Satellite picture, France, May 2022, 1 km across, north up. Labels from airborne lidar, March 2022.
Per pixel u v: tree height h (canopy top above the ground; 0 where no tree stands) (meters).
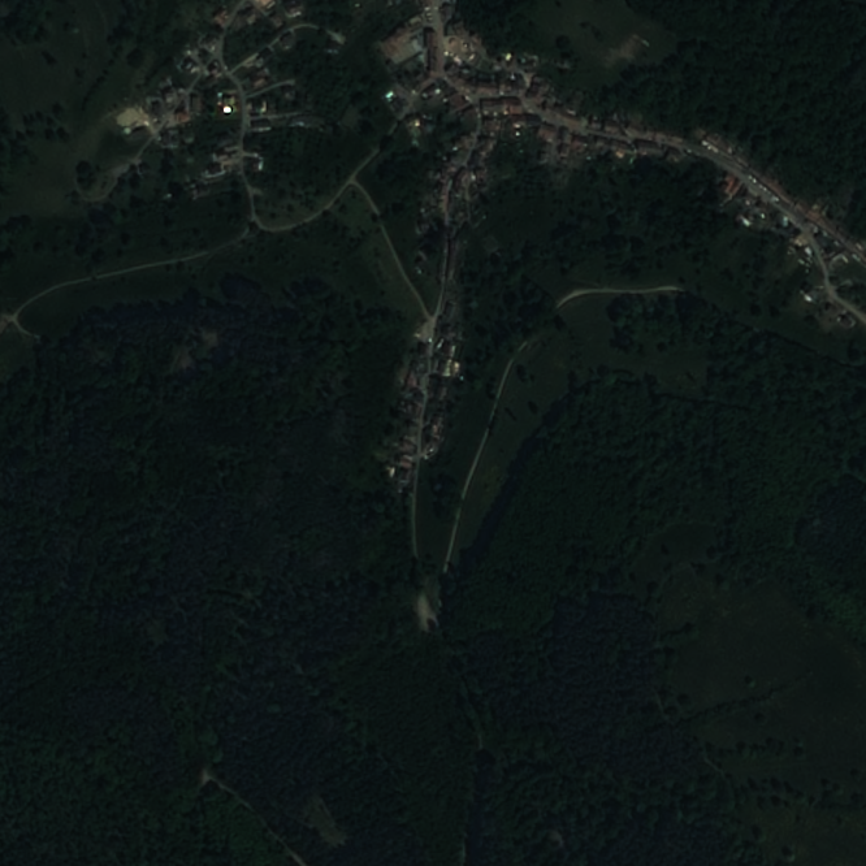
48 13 21
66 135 18
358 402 15
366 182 0
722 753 7
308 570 17
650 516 10
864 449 8
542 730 25
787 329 0
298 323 24
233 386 20
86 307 0
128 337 31
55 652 20
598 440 17
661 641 7
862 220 13
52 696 18
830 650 0
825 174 14
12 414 14
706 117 8
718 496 9
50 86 0
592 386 8
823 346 0
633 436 8
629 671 26
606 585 22
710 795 20
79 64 0
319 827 0
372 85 15
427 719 6
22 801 25
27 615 17
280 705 33
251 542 17
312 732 23
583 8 0
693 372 0
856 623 8
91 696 25
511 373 0
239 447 16
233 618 10
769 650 0
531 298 17
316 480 22
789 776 0
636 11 18
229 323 31
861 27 16
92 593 20
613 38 0
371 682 6
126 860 15
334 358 26
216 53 0
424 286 0
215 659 18
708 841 28
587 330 0
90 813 18
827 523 18
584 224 11
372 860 26
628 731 26
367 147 0
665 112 20
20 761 23
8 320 0
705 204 16
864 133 14
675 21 16
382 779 22
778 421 15
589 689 25
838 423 10
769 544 11
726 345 17
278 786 23
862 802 10
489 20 14
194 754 16
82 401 25
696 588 0
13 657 14
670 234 14
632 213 6
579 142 0
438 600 0
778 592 0
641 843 28
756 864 7
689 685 0
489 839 33
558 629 21
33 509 23
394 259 0
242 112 0
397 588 27
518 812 12
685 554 0
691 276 0
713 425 11
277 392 21
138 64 11
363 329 14
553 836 7
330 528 16
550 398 0
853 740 0
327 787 19
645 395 9
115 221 14
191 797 12
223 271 0
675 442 8
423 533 0
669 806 10
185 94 0
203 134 0
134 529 18
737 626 0
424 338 0
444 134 8
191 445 15
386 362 17
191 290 0
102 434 23
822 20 19
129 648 16
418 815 12
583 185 0
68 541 18
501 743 19
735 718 0
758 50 18
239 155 0
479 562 23
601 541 13
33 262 0
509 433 0
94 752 24
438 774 5
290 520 20
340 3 11
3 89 0
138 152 0
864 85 11
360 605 31
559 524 17
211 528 24
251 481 13
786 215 0
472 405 0
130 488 8
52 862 19
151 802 22
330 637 32
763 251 7
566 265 9
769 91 18
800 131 15
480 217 0
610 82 0
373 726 8
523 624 16
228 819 19
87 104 6
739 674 0
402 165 14
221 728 28
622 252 18
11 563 17
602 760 16
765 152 13
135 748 26
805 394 18
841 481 20
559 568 21
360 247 7
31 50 0
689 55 18
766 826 0
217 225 0
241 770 23
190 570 26
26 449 16
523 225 0
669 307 19
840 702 0
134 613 24
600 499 13
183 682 28
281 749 21
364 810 25
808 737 0
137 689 27
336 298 23
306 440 17
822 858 0
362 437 18
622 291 0
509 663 19
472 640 30
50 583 21
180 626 26
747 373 21
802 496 10
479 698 22
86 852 20
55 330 0
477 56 0
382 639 8
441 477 0
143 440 19
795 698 0
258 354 30
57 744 21
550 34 0
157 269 0
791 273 0
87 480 10
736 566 12
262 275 0
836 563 19
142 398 12
